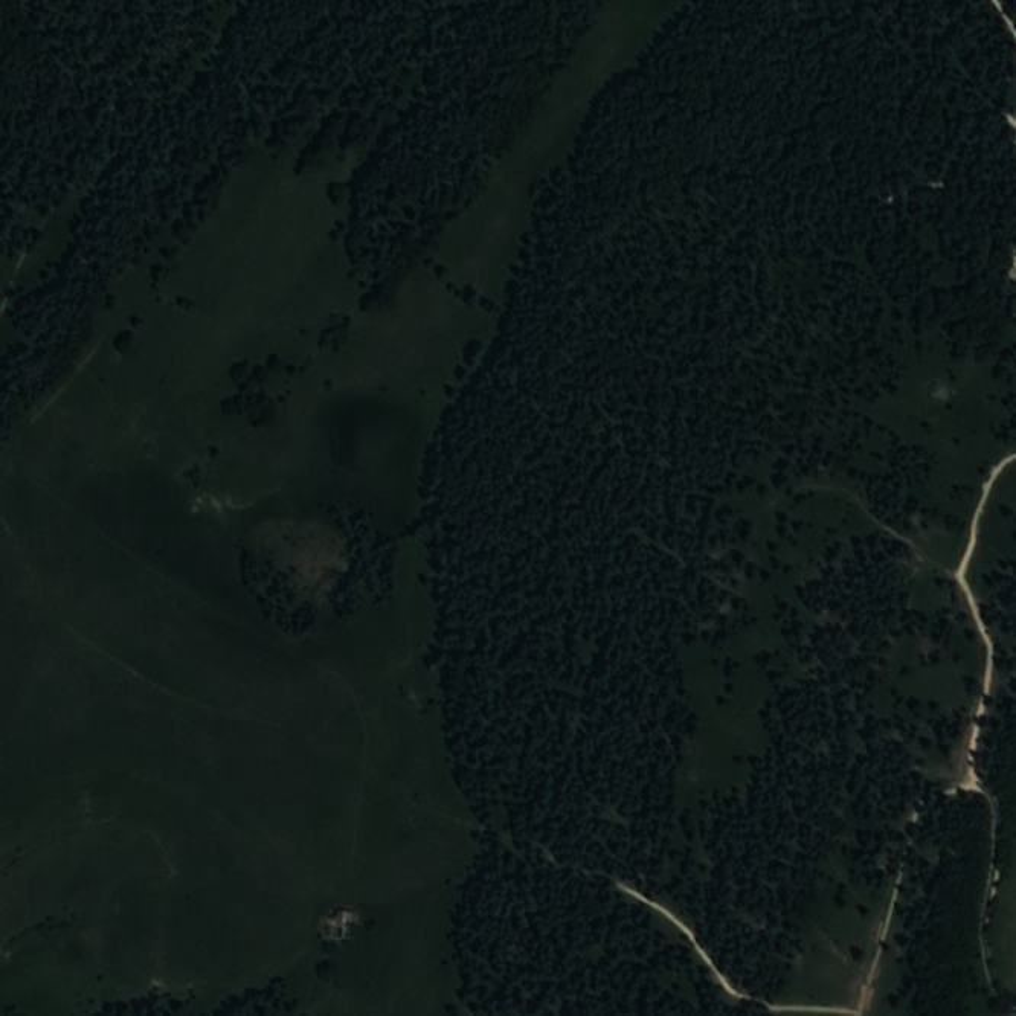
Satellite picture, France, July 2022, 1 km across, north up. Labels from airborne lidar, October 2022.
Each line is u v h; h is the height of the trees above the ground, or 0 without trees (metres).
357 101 23
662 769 16
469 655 21
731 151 16
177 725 0
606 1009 22
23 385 16
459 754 25
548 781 20
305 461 0
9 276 0
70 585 0
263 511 0
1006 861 15
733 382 15
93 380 0
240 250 0
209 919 0
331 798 0
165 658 0
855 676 15
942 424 0
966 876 22
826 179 22
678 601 16
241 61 25
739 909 29
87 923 0
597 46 0
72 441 0
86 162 25
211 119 24
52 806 0
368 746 0
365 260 14
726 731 0
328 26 31
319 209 0
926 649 0
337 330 10
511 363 24
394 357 0
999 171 19
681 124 20
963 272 7
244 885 0
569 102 0
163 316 0
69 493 0
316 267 0
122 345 18
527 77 22
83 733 0
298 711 0
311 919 0
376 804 0
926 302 19
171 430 0
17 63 25
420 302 0
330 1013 0
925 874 16
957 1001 18
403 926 0
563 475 24
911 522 24
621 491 27
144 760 0
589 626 29
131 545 0
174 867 0
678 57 20
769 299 21
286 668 0
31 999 0
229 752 0
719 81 25
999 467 0
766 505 0
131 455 0
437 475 24
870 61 21
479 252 0
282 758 0
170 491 0
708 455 29
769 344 7
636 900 0
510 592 22
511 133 25
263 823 0
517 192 0
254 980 0
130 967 0
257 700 0
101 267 28
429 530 17
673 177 17
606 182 22
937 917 19
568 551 30
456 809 0
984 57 18
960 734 29
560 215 20
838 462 18
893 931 0
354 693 0
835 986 0
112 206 28
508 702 27
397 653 0
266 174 0
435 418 0
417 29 6
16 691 0
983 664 0
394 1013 0
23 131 22
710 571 8
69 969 0
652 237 19
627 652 30
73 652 0
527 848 14
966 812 19
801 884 15
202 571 0
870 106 17
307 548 0
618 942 28
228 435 0
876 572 27
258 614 0
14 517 0
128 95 25
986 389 0
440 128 32
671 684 29
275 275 0
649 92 24
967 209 22
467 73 21
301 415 0
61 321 20
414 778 0
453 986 0
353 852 0
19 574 0
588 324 17
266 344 0
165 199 26
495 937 25
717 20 21
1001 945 0
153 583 0
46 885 0
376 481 0
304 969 0
